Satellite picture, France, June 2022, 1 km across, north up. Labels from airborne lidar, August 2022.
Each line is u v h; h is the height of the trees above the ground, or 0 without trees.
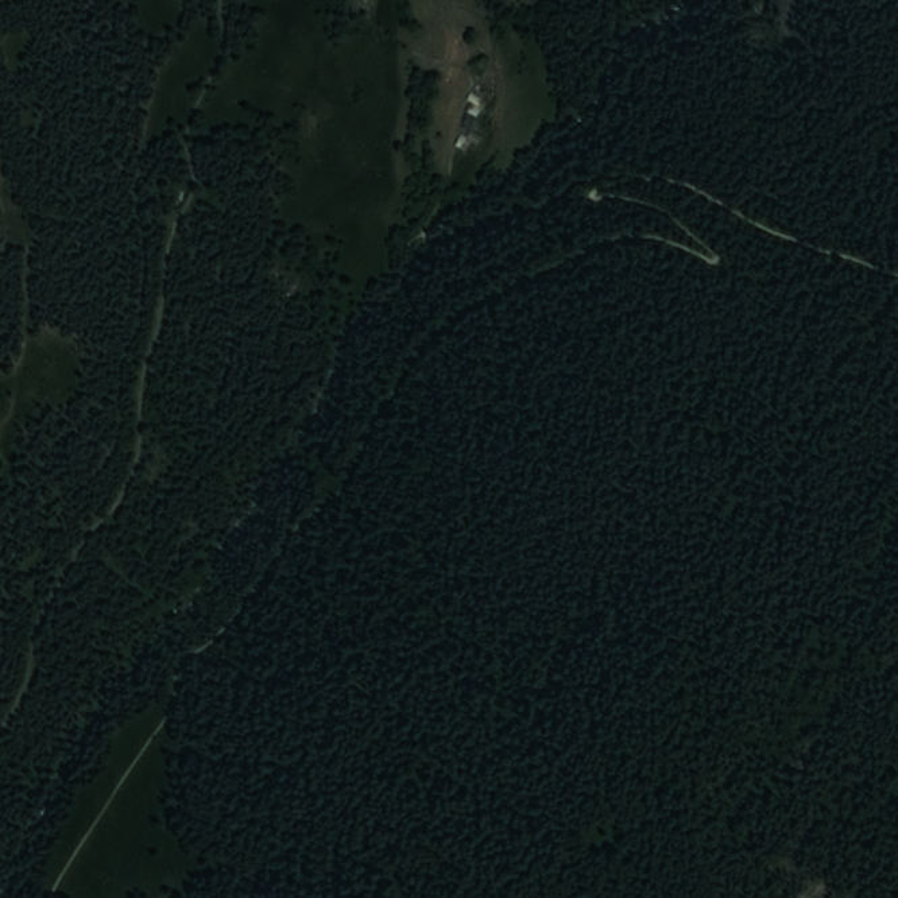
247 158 19
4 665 24
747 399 30
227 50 24
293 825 14
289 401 32
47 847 24
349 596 18
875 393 30
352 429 28
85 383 23
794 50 39
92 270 19
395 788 31
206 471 22
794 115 30
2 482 13
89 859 0
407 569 26
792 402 24
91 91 27
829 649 19
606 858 28
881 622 30
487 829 30
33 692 21
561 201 29
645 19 6
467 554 26
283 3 0
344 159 0
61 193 26
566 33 26
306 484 24
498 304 31
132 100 27
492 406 14
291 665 32
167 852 0
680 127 32
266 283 24
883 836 24
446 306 27
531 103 0
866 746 33
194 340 19
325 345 18
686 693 28
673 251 7
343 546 14
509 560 21
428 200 14
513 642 10
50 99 22
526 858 31
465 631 11
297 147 7
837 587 29
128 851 0
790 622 27
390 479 12
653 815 30
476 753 27
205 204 16
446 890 28
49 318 19
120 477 17
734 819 12
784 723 28
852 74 13
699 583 28
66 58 25
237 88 0
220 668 27
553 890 29
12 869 26
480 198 25
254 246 31
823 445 27
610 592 5
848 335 28
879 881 17
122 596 25
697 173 27
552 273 11
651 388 25
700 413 32
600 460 29
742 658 31
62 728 25
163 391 12
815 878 10
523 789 31
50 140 30
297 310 16
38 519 21
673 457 31
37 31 29
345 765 24
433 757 32
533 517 24
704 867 22
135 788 0
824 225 18
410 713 29
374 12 0
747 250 11
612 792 31
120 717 18
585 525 26
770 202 29
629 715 8
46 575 20
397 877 6
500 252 35
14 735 21
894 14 31
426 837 23
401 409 9
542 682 18
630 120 27
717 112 34
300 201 0
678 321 33
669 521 12
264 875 29
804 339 11
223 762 6
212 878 31
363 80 0
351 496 15
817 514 29
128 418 18
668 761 27
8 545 27
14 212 0
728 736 18
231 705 19
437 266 30
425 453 13
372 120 0
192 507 17
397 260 15
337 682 22
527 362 14
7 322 25
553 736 26
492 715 26
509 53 0
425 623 5
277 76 0
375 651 30
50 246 25
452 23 0
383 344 27
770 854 24
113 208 27
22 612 20
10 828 23
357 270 0
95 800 0
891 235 24
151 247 28
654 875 26
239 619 10
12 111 21
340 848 27
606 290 6
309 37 0
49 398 0
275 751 30
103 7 29
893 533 7
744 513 24
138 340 19
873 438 17
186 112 0
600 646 29
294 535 25
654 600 33
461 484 22
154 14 0
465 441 31
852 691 25
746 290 28
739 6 27
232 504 19
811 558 28
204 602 7
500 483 13
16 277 21
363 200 0
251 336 29
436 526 8
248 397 30
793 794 7
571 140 32
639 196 14
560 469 20
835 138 26
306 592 9
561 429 23
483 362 13
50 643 17
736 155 20
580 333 17
